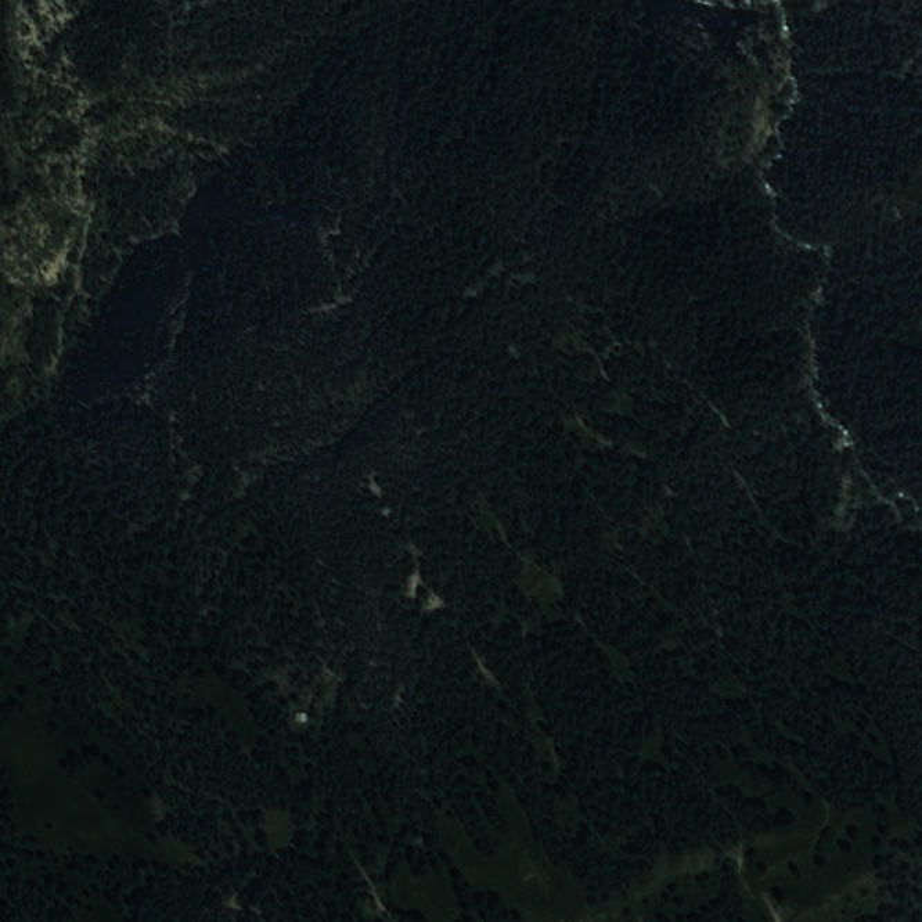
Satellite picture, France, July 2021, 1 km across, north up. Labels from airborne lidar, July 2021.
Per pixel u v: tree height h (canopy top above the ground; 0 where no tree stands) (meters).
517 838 0
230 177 28
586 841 26
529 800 32
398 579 15
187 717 15
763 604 26
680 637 10
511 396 21
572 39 22
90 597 23
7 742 0
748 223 13
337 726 20
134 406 18
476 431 20
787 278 20
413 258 24
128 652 15
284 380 12
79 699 23
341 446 10
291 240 18
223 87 17
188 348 23
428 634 19
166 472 14
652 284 13
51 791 0
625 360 10
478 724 21
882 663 27
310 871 29
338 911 25
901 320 18
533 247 13
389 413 15
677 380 18
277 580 14
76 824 0
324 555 16
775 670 27
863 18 11
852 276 20
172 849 0
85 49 18
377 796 27
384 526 18
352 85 19
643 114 26
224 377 14
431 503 19
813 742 29
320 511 17
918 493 21
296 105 7
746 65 7
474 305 20
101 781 0
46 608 21
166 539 16
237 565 21
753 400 17
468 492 27
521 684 28
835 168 15
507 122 22
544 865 0
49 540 24
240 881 24
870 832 0
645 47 9
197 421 16
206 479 20
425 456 11
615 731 31
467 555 26
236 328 12
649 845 20
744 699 0
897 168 10
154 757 26
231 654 10
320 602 18
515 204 17
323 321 12
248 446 14
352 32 20
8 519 19
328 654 16
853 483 7
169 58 11
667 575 29
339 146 26
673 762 34
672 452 27
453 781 17
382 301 16
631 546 24
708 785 21
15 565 10
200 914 23
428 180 16
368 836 23
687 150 15
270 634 15
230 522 17
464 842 0
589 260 23
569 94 23
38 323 20
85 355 8
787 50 11
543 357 25
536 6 16
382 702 16
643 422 29
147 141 10
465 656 23
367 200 9
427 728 21
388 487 16
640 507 25
